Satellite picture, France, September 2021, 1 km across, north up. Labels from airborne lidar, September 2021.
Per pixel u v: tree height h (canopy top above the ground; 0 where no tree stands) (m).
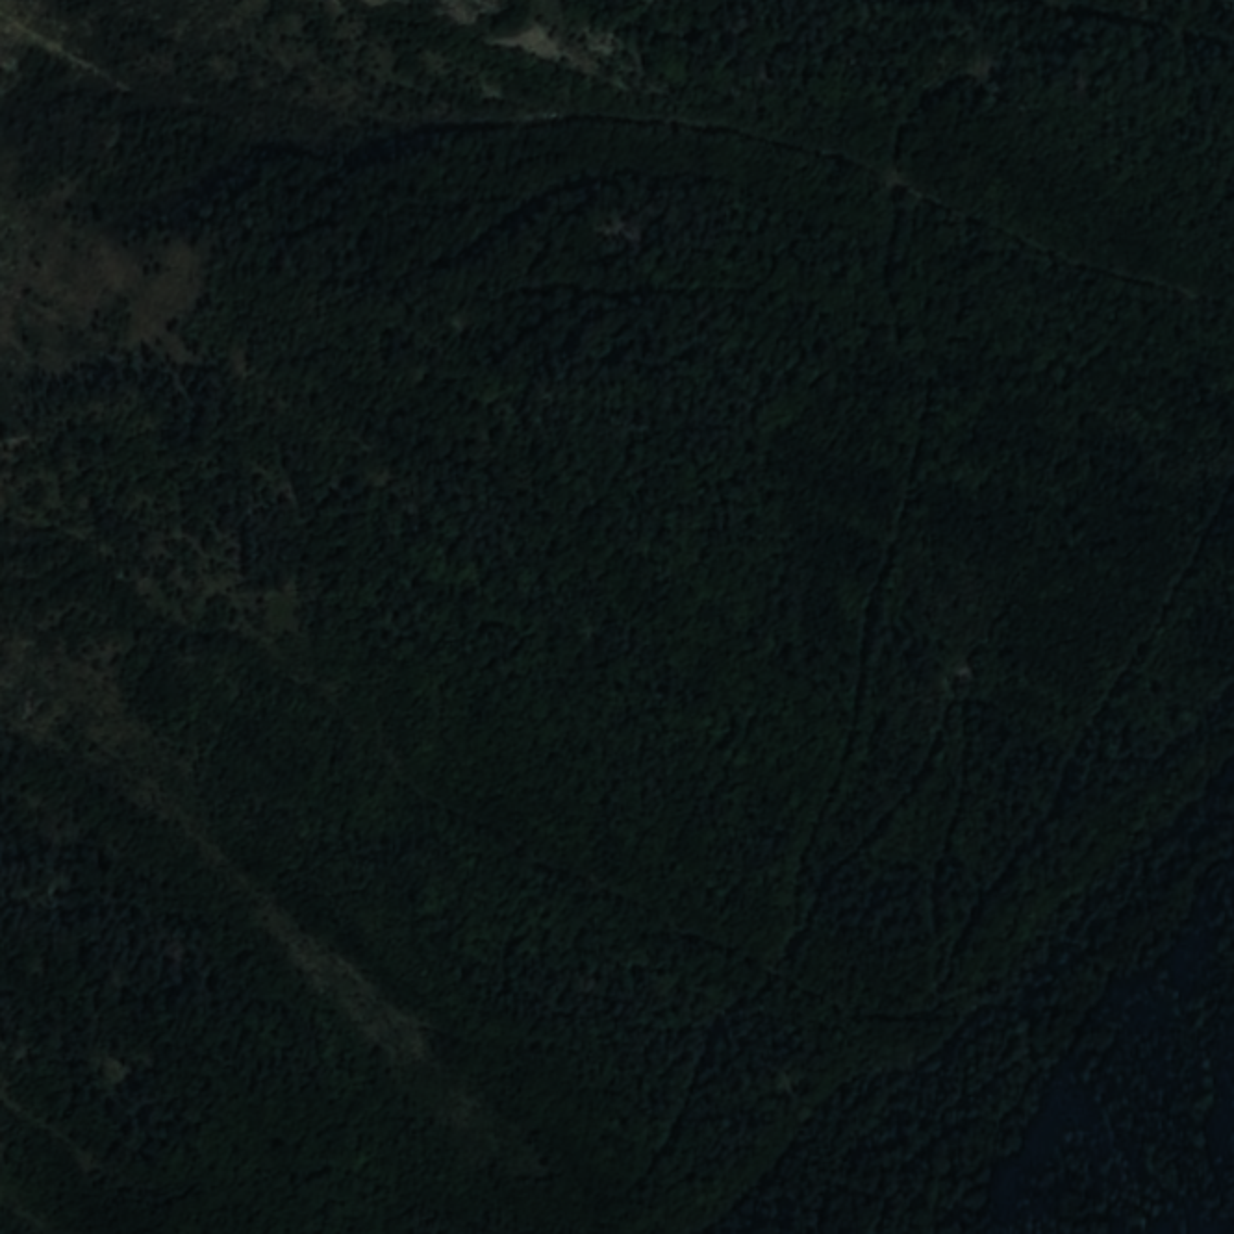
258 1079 33
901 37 17
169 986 30
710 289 18
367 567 20
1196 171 19
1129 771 24
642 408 22
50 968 22
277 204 15
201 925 18
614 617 26
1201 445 12
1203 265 19
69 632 13
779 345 24
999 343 24
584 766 25
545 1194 11
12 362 0
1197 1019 22
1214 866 16
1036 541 21
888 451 18
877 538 8
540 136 14
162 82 8
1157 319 19
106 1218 16
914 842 13
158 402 12
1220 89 24
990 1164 15
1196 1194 16
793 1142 6
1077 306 20
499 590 22
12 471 8
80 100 8
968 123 24
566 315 17
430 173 20
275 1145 18
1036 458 21
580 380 24
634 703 17
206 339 8
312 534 15
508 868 13
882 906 28
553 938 19
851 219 17
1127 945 19
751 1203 10
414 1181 19
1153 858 10
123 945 15
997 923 25
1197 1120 15
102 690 5
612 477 24
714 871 18
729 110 13
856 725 12
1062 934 8
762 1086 26
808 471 15
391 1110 22
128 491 12
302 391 14
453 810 16
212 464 10
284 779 12
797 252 27
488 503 24
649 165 16
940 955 11
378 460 15
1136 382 12
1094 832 20
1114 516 13
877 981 19
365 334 13
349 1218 24
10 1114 6
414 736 8
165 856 12
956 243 21
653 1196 16
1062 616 14
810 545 14
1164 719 24
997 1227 19
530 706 24
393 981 17
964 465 19
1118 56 28
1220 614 22
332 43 7
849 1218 16
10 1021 20
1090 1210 28
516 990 25
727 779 21
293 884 13
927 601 11
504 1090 17
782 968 13
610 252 19
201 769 10
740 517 17
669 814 26
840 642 16
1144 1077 17
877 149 13
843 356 23
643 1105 17
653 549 21
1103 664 10
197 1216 18
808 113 10
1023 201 16
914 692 9
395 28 11
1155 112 26
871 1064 8
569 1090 16
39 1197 12
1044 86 18
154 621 10
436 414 15
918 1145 16
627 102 10
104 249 0
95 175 6
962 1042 11
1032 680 16
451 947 26
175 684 10
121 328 6
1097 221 20
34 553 8
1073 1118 16
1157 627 11
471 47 10
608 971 23
